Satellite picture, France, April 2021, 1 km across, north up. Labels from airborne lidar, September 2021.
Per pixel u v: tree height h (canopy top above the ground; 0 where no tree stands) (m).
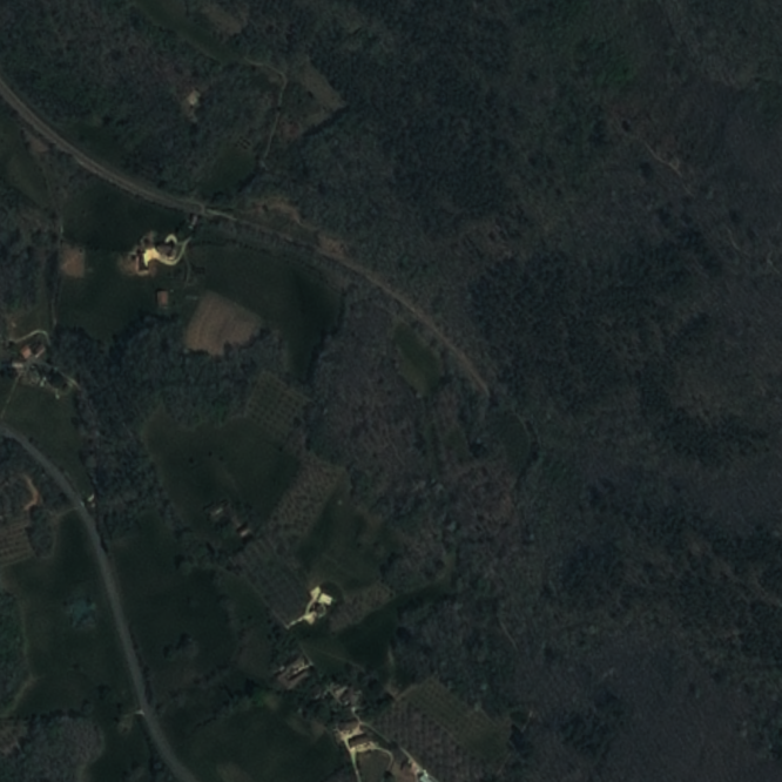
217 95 13
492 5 11
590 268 15
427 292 19
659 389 18
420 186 24
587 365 25
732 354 16
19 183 0
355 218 24
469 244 8
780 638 21
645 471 20
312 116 0
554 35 18
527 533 11
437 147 23
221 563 18
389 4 23
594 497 11
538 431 26
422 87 22
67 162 11
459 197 24
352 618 10
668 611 21
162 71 11
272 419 7
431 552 19
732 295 20
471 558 14
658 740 22
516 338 23
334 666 0
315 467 9
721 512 18
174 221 0
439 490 20
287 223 0
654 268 23
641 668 22
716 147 10
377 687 13
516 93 14
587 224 16
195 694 0
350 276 18
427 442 8
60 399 0
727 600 23
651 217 15
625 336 19
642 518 14
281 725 0
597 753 30
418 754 9
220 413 20
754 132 17
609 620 17
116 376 25
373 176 20
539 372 25
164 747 0
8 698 15
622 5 21
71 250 6
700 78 10
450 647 18
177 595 0
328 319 0
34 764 23
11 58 18
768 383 22
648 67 10
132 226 0
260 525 17
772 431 14
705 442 16
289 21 20
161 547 0
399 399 18
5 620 19
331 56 25
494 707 16
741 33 20
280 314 0
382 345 12
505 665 12
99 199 0
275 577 9
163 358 21
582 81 16
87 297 0
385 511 16
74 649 0
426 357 0
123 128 25
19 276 23
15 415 0
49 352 9
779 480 20
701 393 11
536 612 18
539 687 18
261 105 19
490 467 9
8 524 15
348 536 0
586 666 21
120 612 0
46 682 0
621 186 13
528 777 17
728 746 14
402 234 21
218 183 0
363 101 27
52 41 21
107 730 0
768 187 17
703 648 15
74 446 0
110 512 15
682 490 20
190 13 8
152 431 0
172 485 0
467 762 10
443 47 21
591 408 26
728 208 14
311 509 8
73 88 16
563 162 16
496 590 14
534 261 15
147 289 0
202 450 0
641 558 15
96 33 14
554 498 16
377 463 15
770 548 21
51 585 0
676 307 21
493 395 20
